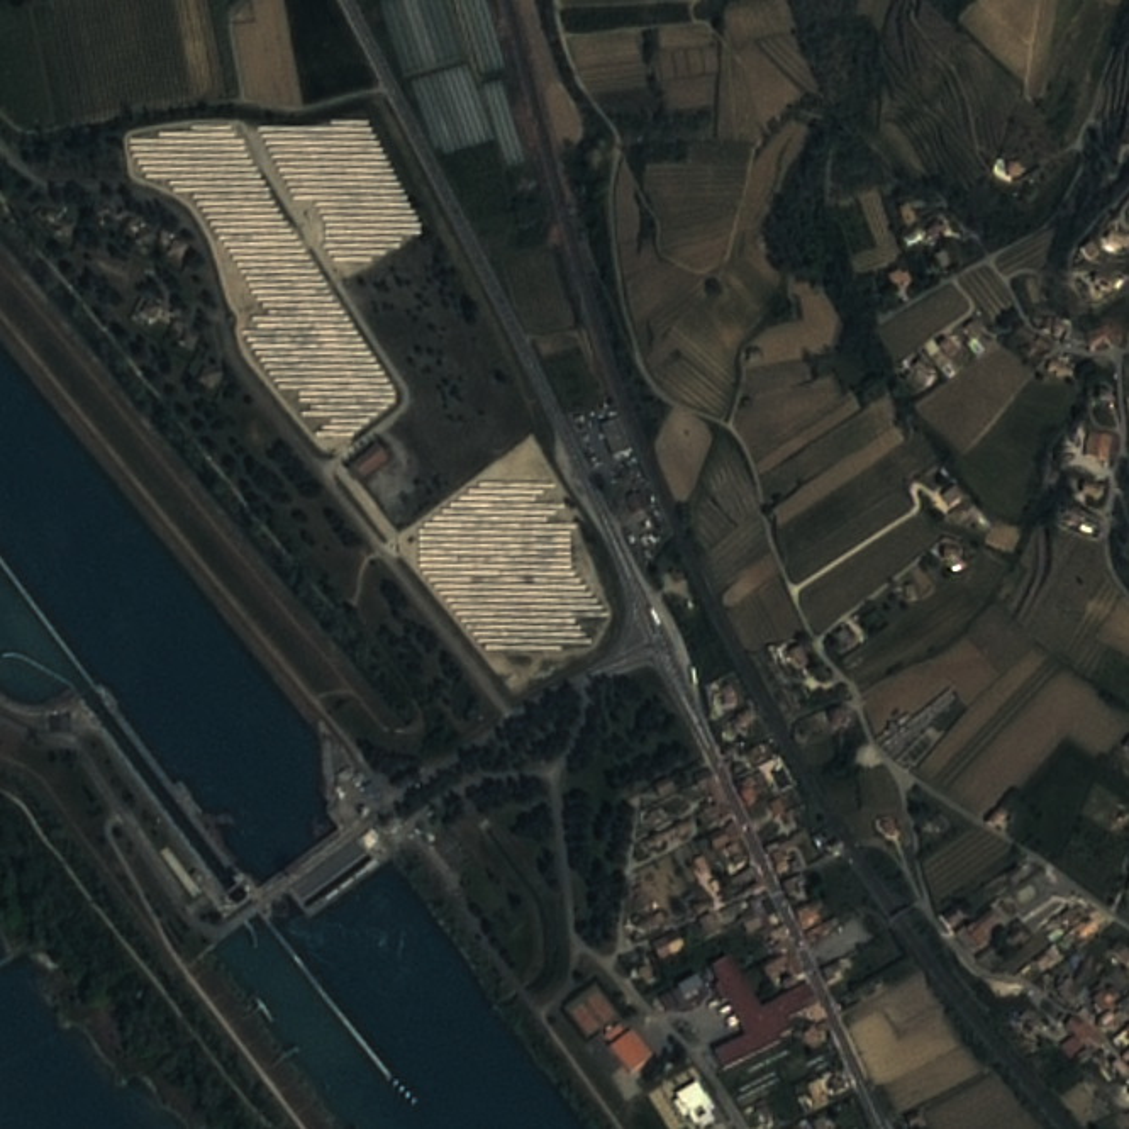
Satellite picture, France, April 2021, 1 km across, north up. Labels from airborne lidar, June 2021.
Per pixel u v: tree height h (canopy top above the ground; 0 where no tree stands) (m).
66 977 7
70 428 0
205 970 0
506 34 0
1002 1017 9
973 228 12
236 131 0
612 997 6
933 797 0
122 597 0
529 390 0
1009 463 0
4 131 7
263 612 0
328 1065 0
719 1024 0
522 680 0
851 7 8
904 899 7
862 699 0
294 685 0
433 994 0
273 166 0
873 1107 0
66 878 11
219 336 0
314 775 0
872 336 12
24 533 0
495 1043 0
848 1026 0
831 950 0
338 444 0
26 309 0
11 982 0
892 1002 0
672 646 0
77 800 0
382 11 0
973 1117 0
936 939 10
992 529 0
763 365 0
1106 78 0
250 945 0
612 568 0
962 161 0
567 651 0
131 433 0
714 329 0
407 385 0
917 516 0
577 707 10
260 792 0
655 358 0
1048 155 9
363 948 0
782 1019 0
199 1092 31
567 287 11
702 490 0
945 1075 0
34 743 13
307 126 0
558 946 0
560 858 7
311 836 0
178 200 0
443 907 7
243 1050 0
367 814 0
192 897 0
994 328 7
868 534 0
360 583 0
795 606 0
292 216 0
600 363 0
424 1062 0
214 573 0
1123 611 0
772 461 0
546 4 13
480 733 0
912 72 0
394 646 9
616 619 0
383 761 12
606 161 0
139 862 0
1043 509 16
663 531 12
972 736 0
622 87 0
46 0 7
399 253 0
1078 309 0
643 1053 0
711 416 0
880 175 16
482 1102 0
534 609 0
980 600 0
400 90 0
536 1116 0
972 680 0
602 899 8
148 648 0
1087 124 0
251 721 0
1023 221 11
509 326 0
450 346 0
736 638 0
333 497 0
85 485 0
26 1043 0
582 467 0
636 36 0
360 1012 0
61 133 7
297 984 0
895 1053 0
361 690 0
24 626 0
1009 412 0
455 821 15
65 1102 0
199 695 0
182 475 0
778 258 26
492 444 0
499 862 0
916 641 0
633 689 10
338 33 0
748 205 0
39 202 12
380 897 0
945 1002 6
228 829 0
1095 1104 0
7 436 0
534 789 13
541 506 0
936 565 11
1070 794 0
